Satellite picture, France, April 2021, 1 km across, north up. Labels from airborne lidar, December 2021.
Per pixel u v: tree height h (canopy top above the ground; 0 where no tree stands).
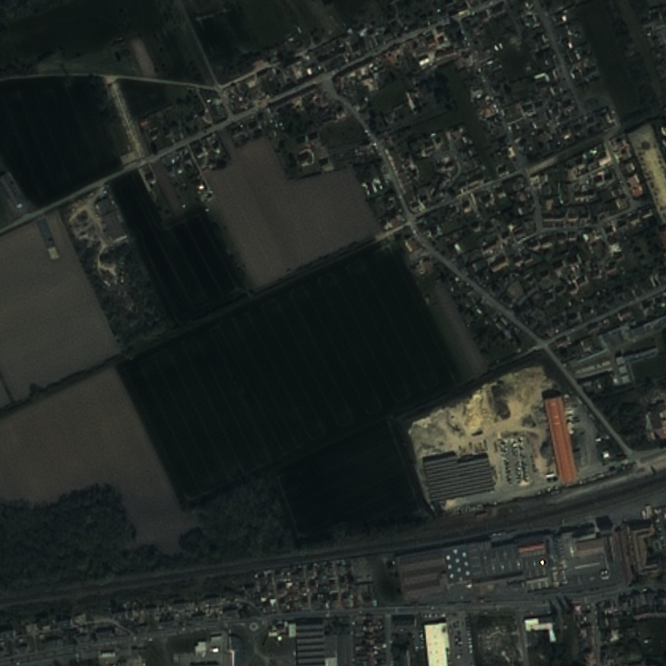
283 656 0
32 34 0
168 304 0
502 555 0
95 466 0
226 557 9
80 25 0
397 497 0
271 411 0
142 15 0
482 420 0
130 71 0
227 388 0
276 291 0
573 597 0
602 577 0
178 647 0
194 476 0
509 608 0
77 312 0
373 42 0
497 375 0
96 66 0
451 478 0
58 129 0
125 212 0
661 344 0
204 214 0
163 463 0
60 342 0
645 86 6
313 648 0
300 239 0
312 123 7
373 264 0
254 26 0
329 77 0
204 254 0
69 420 0
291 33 0
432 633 0
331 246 0
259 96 0
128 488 0
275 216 0
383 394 0
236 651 0
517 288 0
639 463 0
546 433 0
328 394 0
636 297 0
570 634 0
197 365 0
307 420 0
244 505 30
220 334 0
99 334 0
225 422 0
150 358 0
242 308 0
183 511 13
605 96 0
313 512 0
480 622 7
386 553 0
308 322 0
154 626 0
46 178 0
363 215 0
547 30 0
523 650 0
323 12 0
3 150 0
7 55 0
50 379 0
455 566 0
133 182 0
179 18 21
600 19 0
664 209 0
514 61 0
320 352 0
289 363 0
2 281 0
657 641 0
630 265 0
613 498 0
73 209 0
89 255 6
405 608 0
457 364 0
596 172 0
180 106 10
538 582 0
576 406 0
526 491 0
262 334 0
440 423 0
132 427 0
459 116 0
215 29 0
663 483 0
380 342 0
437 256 0
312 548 17
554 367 0
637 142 0
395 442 0
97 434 0
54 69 0
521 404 0
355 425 0
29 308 0
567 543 0
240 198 0
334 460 0
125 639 0
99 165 0
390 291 0
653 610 0
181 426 0
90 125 0
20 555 10
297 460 0
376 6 0
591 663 0
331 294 0
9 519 26
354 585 6
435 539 0
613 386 7
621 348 0
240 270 6
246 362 0
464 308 10
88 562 18
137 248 0
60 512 11
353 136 0
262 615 0
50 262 0
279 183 0
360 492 0
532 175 0
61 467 0
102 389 0
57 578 13
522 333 0
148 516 0
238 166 0
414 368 0
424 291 0
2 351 0
